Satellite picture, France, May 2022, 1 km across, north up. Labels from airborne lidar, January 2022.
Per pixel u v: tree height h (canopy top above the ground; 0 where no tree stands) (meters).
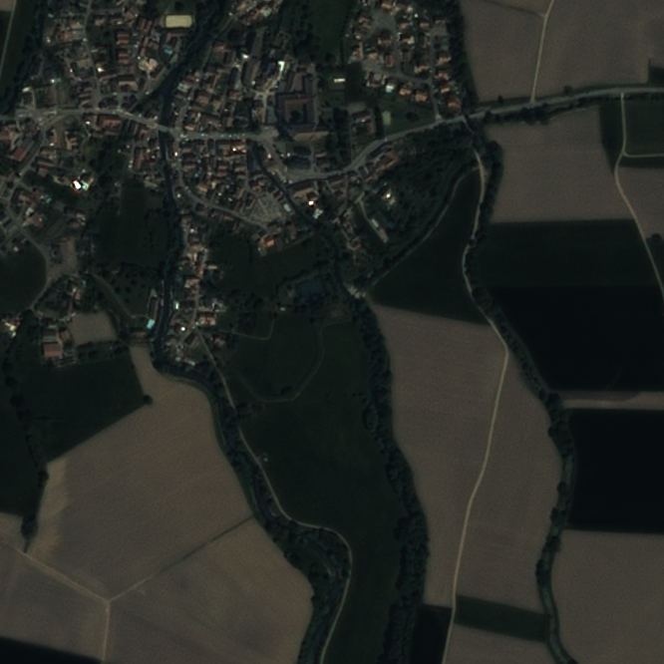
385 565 0
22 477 0
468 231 0
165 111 0
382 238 0
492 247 0
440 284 0
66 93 0
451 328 0
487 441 0
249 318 6
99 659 0
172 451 0
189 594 0
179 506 0
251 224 0
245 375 0
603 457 0
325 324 0
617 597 0
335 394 0
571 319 0
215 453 0
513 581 0
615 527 0
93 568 0
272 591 0
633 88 0
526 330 0
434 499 0
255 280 0
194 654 0
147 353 0
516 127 0
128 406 0
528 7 0
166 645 0
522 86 0
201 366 10
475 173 0
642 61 0
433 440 0
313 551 0
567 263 0
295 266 0
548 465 0
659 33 0
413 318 0
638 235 0
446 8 15
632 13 0
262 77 0
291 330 0
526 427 0
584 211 0
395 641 23
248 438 0
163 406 0
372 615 0
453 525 0
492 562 0
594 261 0
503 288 0
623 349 0
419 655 0
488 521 0
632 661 0
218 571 0
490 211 13
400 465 16
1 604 0
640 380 0
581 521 0
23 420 19
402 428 0
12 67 0
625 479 0
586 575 0
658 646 0
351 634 0
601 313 0
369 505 0
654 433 0
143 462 0
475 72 0
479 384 0
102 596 0
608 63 0
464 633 0
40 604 0
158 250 0
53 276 0
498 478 0
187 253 0
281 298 0
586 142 0
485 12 0
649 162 0
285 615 0
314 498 0
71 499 0
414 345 0
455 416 0
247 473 14
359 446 0
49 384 0
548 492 0
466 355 0
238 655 0
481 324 0
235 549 0
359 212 0
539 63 0
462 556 0
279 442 0
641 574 0
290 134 0
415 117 8
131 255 0
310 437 0
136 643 0
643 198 0
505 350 0
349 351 0
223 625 0
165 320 0
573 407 0
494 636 0
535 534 0
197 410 0
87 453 0
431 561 0
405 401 0
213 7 12
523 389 0
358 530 0
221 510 0
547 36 0
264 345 0
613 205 0
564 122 0
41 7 10
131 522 0
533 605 0
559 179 0
